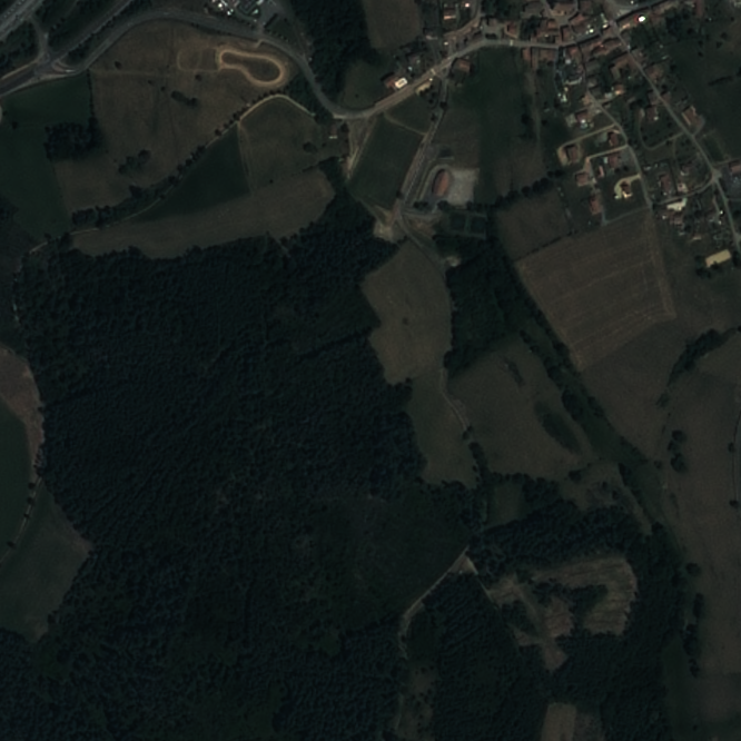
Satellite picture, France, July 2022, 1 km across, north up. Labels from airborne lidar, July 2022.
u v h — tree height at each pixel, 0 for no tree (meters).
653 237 0
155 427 21
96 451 17
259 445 11
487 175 0
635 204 0
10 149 0
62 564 0
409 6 0
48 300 11
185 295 15
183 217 0
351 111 0
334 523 6
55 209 0
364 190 0
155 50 0
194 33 0
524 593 0
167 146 0
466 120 0
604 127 0
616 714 12
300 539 13
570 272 0
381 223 0
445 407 0
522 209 0
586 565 0
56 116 0
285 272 18
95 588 15
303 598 16
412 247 0
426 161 0
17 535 0
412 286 0
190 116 0
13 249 0
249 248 7
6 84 0
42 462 17
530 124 15
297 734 8
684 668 0
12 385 0
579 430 0
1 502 0
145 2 7
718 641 0
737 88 0
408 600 0
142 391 21
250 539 9
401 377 0
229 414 12
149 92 0
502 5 12
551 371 17
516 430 0
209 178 0
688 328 0
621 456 0
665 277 0
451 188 0
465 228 0
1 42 8
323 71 7
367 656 25
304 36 0
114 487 17
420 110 0
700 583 0
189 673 6
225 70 0
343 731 23
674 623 20
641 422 0
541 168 0
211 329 20
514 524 13
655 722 6
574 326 0
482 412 0
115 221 8
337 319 0
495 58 0
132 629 6
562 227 0
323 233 18
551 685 15
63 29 7
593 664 20
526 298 16
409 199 0
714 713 0
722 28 0
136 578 21
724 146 0
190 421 26
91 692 29
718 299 0
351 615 6
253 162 0
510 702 10
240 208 0
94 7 6
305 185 0
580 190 0
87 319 24
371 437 20
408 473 34
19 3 0
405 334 0
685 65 0
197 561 11
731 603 0
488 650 9
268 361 15
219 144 0
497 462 0
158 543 6
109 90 0
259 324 6
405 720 0
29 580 0
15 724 22
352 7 23
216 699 11
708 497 0
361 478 18
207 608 10
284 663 22
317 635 8
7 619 0
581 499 0
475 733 7
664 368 0
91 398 24
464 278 15
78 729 28
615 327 0
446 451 0
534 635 10
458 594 22
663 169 0
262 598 18
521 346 0
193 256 16
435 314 0
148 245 0
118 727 26
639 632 14
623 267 0
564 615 0
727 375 0
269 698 16
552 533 28
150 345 16
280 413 17
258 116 0
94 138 19
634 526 18
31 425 0
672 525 0
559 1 0
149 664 15
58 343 10
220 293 17
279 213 0
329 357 17
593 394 0
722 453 0
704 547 0
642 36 0
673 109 0
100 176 0
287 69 0
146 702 23
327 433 23
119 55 0
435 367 0
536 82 0
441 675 9
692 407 0
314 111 7
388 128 0
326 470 23
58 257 8
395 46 0
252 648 22
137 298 20
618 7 0
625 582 0
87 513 16
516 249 0
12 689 28
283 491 10
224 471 18
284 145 0
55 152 14
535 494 11
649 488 0
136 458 20
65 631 7
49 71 0
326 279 25
